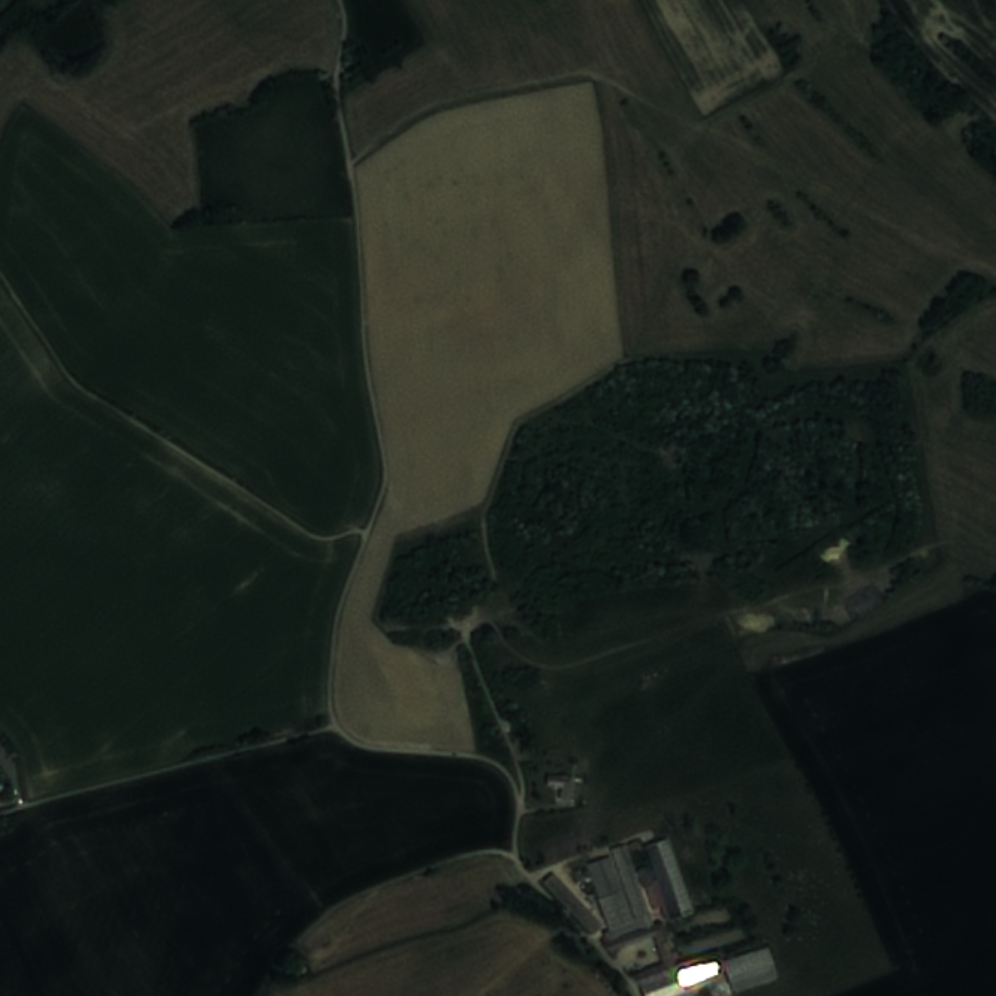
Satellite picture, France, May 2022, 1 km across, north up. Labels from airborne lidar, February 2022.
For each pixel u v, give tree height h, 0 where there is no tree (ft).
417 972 0
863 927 0
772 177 0
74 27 0
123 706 0
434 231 0
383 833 0
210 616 0
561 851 0
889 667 0
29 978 0
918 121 0
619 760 0
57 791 0
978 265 0
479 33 0
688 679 0
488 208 0
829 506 24
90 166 0
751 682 0
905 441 20
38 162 0
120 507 0
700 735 0
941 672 0
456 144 0
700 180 0
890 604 0
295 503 0
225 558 0
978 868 0
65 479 0
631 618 0
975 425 0
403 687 0
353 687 0
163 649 0
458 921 0
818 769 0
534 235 0
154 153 0
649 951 0
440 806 0
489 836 0
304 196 0
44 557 0
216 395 0
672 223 0
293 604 0
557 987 0
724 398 22
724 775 0
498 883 0
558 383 0
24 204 0
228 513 0
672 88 0
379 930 0
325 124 0
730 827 0
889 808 0
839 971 0
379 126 0
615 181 0
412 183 0
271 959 0
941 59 0
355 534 0
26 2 18
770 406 25
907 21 0
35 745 0
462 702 0
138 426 0
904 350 0
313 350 0
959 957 0
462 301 0
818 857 0
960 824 0
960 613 0
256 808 0
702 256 0
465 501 0
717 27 0
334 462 0
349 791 0
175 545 0
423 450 0
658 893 0
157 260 0
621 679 0
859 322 0
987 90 0
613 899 0
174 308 0
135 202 0
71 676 0
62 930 0
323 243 0
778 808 0
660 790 0
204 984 0
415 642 0
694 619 0
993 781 0
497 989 0
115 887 0
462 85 0
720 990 0
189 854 0
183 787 0
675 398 19
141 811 0
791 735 0
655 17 0
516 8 0
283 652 0
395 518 0
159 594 0
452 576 18
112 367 0
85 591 0
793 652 0
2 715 0
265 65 0
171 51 0
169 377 0
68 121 0
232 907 0
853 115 0
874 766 0
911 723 0
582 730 0
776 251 0
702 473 30
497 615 0
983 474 0
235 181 0
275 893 0
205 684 0
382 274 0
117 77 0
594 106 0
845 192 0
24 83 0
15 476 0
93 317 0
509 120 0
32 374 0
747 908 34
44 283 0
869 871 0
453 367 0
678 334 0
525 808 0
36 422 0
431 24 0
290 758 0
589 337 0
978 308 0
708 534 18
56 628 0
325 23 0
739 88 0
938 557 0
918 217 0
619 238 0
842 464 20
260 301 0
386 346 0
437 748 0
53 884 0
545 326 0
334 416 0
